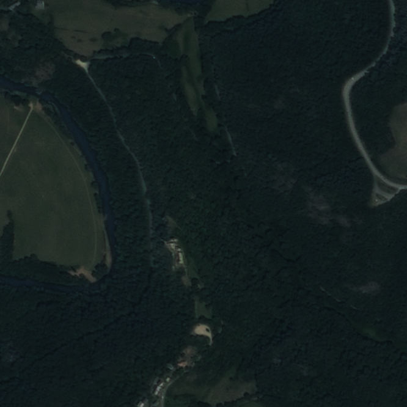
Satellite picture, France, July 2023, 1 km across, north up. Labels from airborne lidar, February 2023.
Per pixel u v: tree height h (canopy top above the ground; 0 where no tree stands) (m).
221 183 18
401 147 0
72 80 9
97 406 12
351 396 30
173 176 15
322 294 15
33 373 25
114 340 18
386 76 14
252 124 22
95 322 30
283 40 21
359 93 9
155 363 19
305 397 22
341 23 17
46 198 0
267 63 15
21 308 24
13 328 26
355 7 15
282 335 13
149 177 6
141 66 17
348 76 17
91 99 16
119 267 27
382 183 0
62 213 0
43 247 0
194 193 19
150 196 6
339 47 23
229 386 0
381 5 26
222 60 18
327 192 8
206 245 17
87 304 30
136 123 10
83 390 23
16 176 0
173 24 0
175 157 8
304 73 12
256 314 20
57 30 0
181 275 9
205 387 0
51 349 23
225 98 14
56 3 0
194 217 21
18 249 0
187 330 14
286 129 20
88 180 0
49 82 22
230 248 23
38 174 0
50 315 26
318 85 12
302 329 28
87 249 0
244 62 11
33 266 21
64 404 29
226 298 29
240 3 0
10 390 17
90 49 0
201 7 26
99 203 13
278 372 24
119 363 17
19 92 0
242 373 8
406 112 0
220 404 0
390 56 8
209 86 26
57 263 0
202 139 22
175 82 29
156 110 21
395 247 19
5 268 20
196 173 16
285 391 15
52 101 0
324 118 15
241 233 27
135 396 8
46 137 0
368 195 19
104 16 0
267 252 30
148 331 21
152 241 12
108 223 0
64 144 0
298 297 12
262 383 17
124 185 13
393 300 25
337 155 16
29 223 0
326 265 11
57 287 0
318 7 20
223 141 11
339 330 25
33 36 7
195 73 0
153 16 0
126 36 0
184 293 11
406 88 9
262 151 8
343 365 28
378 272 13
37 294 27
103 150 11
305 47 22
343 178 25
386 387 28
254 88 8
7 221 0
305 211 8
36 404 30
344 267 8
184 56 10
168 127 20
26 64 16
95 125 10
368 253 12
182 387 0
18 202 0
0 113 0
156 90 9
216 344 12
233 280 22
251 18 16
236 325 17
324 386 6
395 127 0
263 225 23
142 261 14
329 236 8
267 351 28
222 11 0
